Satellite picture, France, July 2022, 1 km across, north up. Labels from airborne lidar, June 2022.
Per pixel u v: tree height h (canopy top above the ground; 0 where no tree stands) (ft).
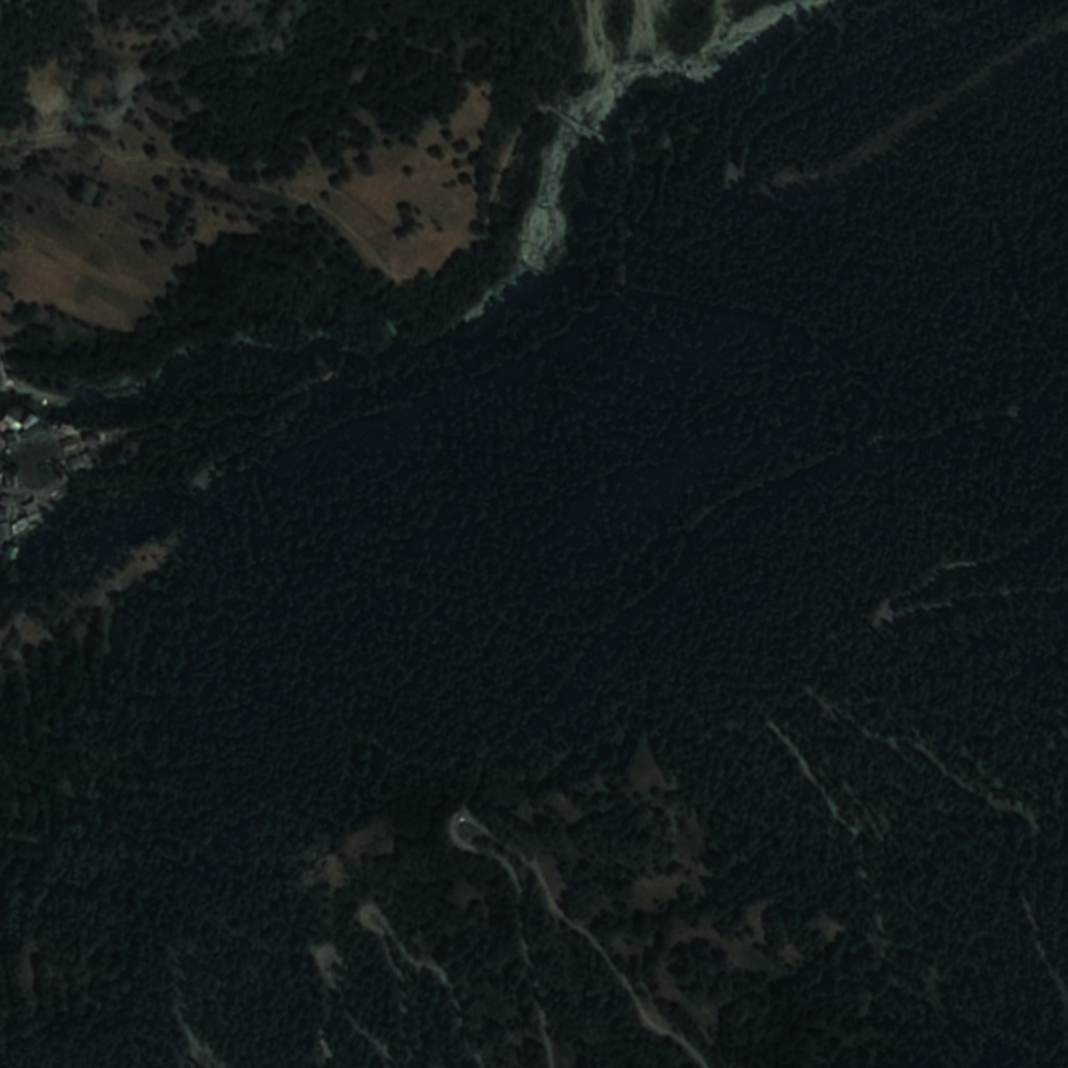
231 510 31
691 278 83
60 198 0
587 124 22
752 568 74
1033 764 73
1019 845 87
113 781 42
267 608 95
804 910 32
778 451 75
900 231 75
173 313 66
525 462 91
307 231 44
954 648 95
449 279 51
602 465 88
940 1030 118
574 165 22
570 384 18
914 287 86
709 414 83
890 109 83
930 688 35
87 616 23
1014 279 27
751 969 0
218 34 39
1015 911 60
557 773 20
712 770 85
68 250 0
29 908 74
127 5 57
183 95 23
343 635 54
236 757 94
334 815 70
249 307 56
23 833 47
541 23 62
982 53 64
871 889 55
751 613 58
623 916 42
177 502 62
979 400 66
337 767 73
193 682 98
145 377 30
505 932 55
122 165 0
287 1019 69
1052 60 62
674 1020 39
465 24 73
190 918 92
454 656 88
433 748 72
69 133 26
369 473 62
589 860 34
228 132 42
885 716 79
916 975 44
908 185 71
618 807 42
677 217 67
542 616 102
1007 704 64
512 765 59
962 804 74
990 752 64
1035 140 52
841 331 78
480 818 59
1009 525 89
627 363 80
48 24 57
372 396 86
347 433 67
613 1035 100
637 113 77
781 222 88
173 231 33
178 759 82
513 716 84
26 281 0
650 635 72
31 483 0
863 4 65
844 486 84
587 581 96
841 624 77
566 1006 85
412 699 42
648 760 0
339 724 75
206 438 68
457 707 68
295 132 56
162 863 41
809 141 57
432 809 37
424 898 29
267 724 82
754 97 74
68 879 51
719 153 71
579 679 28
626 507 75
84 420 42
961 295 67
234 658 106
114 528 51
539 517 81
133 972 76
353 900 25
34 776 56
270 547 98
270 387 73
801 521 90
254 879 73
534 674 77
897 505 67
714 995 89
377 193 0
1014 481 72
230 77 36
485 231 60
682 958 39
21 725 56
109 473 47
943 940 75
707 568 87
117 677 70
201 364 93
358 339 61
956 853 83
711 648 74
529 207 21
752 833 93
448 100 61
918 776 68
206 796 87
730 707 62
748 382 98
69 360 47
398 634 87
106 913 91
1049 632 79
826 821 30
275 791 104
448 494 84
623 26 36
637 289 33
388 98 49
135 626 84
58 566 38
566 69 52
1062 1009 88
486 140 45
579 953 83
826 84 64
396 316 95
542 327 98
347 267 63
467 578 70
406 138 31
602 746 23
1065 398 54
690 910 42
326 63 60
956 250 80
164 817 72
